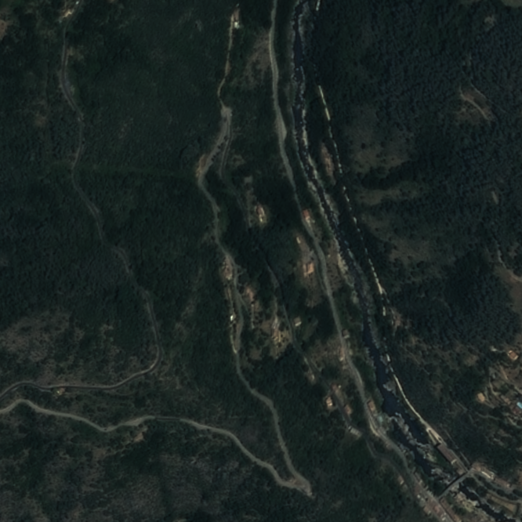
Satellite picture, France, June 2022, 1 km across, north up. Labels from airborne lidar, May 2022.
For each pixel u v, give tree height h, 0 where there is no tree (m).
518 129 22
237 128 8
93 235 14
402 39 16
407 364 9
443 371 7
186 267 9
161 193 11
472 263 17
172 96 12
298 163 15
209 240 7
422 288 10
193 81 9
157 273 16
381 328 6
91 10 13
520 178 12
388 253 12
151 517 7
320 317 13
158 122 10
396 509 7
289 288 27
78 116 19
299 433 7
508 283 0
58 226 10
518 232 19
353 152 8
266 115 16
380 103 6
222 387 16
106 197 13
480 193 9
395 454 12
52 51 7
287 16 8
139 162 12
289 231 25
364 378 8
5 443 8
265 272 17
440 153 22
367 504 7
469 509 0
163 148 6
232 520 6
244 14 10
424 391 8
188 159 25
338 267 8
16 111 7
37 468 7
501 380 0
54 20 7
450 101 21
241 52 7
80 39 13
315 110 15
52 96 6
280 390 10
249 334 8
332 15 14
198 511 10
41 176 9
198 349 8
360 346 7
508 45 21
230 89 8
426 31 19
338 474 6
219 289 15
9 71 11
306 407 7
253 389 14
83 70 11
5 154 9
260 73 7
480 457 8
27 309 8
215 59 11
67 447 8
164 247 10
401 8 27
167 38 9
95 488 8
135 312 8
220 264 11
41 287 10
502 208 19
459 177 9
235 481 8
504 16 14
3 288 7
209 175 13
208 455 9
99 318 6
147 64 11
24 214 14
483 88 24
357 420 7
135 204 6
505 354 11
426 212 11
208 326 13
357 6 13
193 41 11
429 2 28
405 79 21
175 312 11
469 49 10
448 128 11
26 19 12
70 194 14
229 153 6
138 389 7
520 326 20
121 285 9
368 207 7
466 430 9
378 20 22
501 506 0
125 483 10
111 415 7
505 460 12
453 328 9
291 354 21
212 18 14
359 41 9
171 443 7
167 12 12
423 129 13
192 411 7
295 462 8
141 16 7
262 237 25
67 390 12
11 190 8
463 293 16
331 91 15
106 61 13
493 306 27
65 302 9
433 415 6
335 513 7
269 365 6
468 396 12
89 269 18
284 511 19
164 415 9
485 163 22
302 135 0
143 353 6
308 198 18
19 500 6
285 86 11
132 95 11
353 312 8
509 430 9
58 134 21
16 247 7
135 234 15
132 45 12
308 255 0
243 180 9
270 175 7
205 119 8
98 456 0
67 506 6
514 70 22
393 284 8
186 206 11
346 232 9
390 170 9
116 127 7
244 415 7
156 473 9
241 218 19
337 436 11
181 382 6
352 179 7
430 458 0
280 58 11
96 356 9
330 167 0
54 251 11
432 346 7
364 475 11
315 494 15
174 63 8
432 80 24
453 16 13
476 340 23
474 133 8
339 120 12
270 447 7
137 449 13
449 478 0
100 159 14
